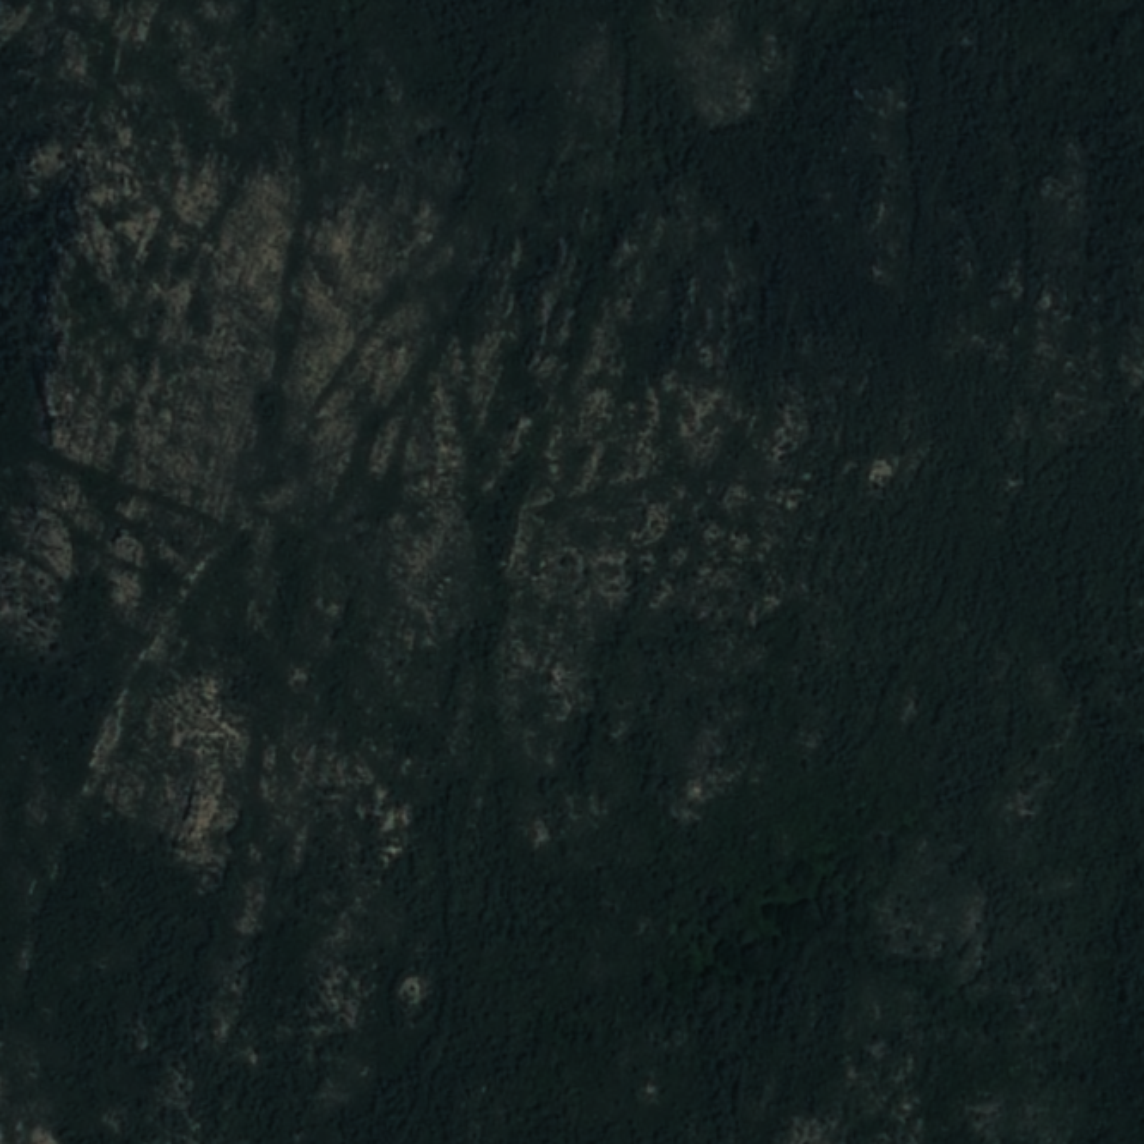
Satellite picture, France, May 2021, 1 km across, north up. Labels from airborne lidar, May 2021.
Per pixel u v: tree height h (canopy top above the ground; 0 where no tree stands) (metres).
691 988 12
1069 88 13
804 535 10
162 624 0
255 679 8
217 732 0
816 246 14
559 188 6
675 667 11
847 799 10
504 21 16
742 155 19
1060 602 12
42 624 10
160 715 0
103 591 8
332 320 0
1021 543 12
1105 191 10
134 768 0
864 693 12
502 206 8
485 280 10
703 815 6
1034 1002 17
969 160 15
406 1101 10
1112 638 8
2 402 6
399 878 11
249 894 0
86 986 6
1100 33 6
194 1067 10
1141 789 22
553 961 16
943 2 14
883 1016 7
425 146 15
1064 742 9
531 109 11
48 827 0
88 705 11
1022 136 15
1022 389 9
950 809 11
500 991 9
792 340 10
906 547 10
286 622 7
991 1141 6
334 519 8
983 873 9
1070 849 8
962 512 16
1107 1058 10
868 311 15
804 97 15
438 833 12
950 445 13
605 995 7
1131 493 13
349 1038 13
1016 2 14
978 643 10
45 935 10
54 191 6
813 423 12
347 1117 8
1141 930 19
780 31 6
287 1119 10
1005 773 15
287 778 0
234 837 16
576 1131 10
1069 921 18
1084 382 10
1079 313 13
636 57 10
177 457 0
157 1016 15
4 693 8
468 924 10
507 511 13
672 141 23
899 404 11
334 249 0
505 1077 9
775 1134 8
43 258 6
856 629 10
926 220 14
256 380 0
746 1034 13
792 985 18
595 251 8
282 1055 11
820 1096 8
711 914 12
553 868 8
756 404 11
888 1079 13
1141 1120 9
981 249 12
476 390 0
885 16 12
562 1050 7
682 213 12
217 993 6
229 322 0
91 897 9
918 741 8
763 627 15
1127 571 8
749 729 8
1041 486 16
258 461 0
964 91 11
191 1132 8
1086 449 13
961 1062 8
